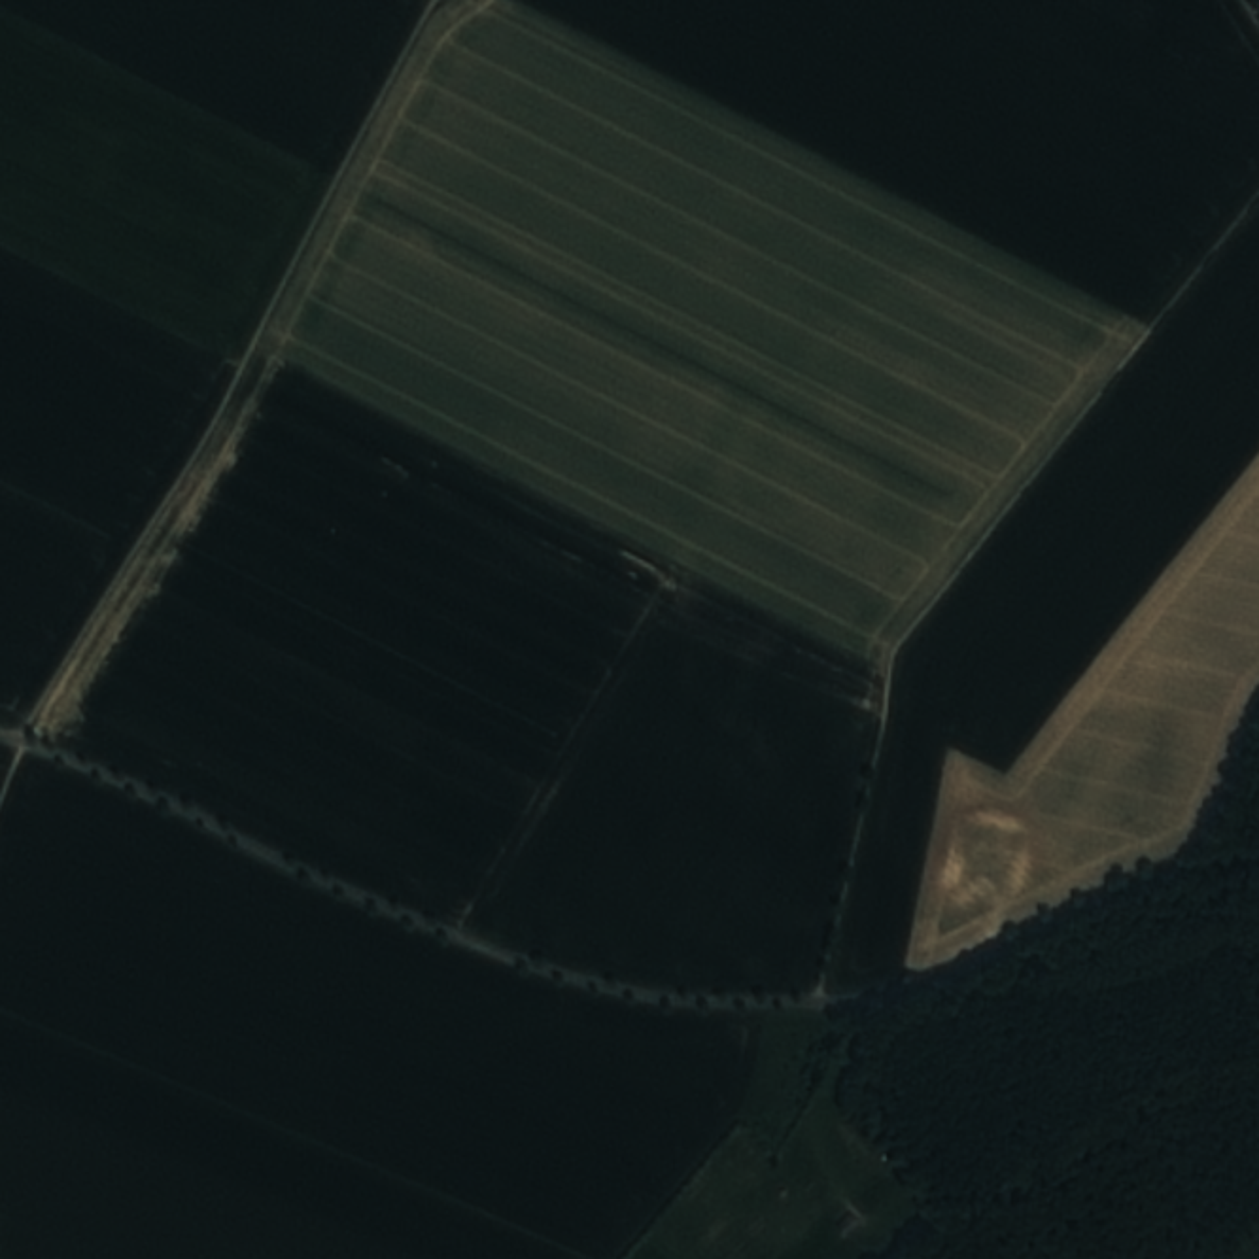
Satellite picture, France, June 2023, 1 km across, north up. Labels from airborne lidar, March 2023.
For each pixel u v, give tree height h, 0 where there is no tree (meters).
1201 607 0
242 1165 0
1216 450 0
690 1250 0
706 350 0
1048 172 0
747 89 0
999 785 0
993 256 0
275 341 0
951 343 0
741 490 0
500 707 0
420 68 0
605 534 0
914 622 0
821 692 0
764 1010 0
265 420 0
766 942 0
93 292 0
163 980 0
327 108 0
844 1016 15
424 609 0
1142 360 0
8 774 0
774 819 0
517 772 0
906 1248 21
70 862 0
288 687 0
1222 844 21
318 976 0
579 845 0
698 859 0
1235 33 0
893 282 0
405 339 0
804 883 0
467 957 0
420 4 0
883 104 0
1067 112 0
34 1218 0
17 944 0
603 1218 0
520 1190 0
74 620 0
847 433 0
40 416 0
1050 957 25
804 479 0
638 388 0
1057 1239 24
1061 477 0
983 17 0
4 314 0
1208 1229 19
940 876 0
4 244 0
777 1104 0
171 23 0
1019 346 0
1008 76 0
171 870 0
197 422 0
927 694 0
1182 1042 21
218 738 0
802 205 0
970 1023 22
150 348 0
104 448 0
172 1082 0
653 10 0
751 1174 0
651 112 0
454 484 0
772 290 0
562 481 0
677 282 0
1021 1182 18
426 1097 0
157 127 0
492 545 0
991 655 0
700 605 0
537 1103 0
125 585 0
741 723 0
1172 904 26
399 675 0
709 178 0
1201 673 0
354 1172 0
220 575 0
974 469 0
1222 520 0
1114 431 0
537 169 0
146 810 0
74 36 0
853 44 0
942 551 0
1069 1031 21
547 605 0
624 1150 0
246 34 0
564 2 0
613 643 0
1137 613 0
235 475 0
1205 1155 19
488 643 0
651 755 0
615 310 0
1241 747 21
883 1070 22
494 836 0
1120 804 0
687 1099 0
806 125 0
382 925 0
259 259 0
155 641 0
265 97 0
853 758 0
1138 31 0
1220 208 0
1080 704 0
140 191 0
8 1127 0
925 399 0
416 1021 0
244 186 0
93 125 0
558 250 0
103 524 0
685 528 0
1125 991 23
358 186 0
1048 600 0
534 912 0
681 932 0
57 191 0
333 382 0
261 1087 0
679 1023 0
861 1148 0
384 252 0
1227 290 0
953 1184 21
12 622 0
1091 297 0
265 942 0
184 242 0
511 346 0
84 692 0
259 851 0
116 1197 0
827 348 0
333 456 0
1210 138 0
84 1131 0
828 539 0
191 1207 0
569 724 0
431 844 0
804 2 0
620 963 0
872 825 0
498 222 0
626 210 0
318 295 0
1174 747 0
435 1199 0
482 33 0
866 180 0
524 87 0
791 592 0
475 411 0
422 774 0
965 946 0
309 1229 0
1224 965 24
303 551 0
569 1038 0
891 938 0
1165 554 0
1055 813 0
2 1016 0
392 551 0
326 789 0
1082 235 0
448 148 0
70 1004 0
